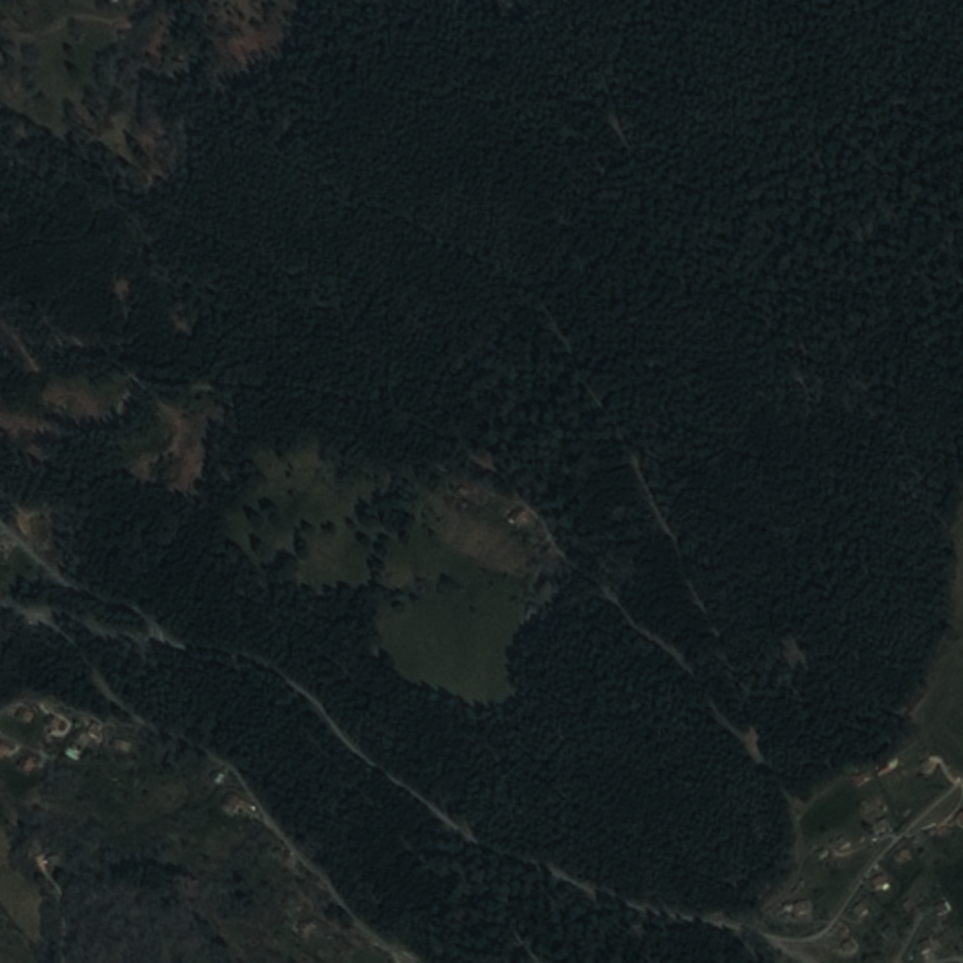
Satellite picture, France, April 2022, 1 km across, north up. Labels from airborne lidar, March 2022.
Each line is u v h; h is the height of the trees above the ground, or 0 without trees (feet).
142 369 76
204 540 75
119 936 52
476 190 81
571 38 93
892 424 77
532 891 137
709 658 69
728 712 83
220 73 73
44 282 54
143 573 84
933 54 84
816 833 0
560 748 95
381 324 83
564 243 82
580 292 82
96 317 23
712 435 40
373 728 75
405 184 72
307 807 102
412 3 102
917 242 115
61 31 0
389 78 78
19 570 0
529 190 87
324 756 70
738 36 74
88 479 109
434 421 86
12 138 78
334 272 81
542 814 86
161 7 44
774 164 94
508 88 77
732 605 58
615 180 100
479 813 88
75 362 87
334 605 80
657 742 81
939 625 34
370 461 97
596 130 89
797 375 89
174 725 85
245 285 90
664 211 107
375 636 74
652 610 48
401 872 49
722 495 58
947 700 0
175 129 73
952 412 89
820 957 0
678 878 72
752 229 118
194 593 88
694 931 69
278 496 0
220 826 0
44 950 44
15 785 0
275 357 65
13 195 68
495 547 0
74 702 76
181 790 0
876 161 129
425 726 73
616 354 90
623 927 67
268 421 78
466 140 85
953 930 0
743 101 72
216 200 91
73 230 36
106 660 98
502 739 83
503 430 46
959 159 66
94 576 79
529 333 49
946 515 94
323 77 91
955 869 0
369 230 78
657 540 52
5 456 112
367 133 74
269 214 86
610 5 86
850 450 81
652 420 77
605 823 78
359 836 81
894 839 0
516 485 66
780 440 60
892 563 89
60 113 0
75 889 69
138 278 20
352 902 74
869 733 82
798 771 87
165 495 50
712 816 85
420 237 83
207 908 23
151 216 83
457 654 0
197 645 68
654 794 72
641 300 86
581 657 90
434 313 88
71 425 111
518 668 75
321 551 0
